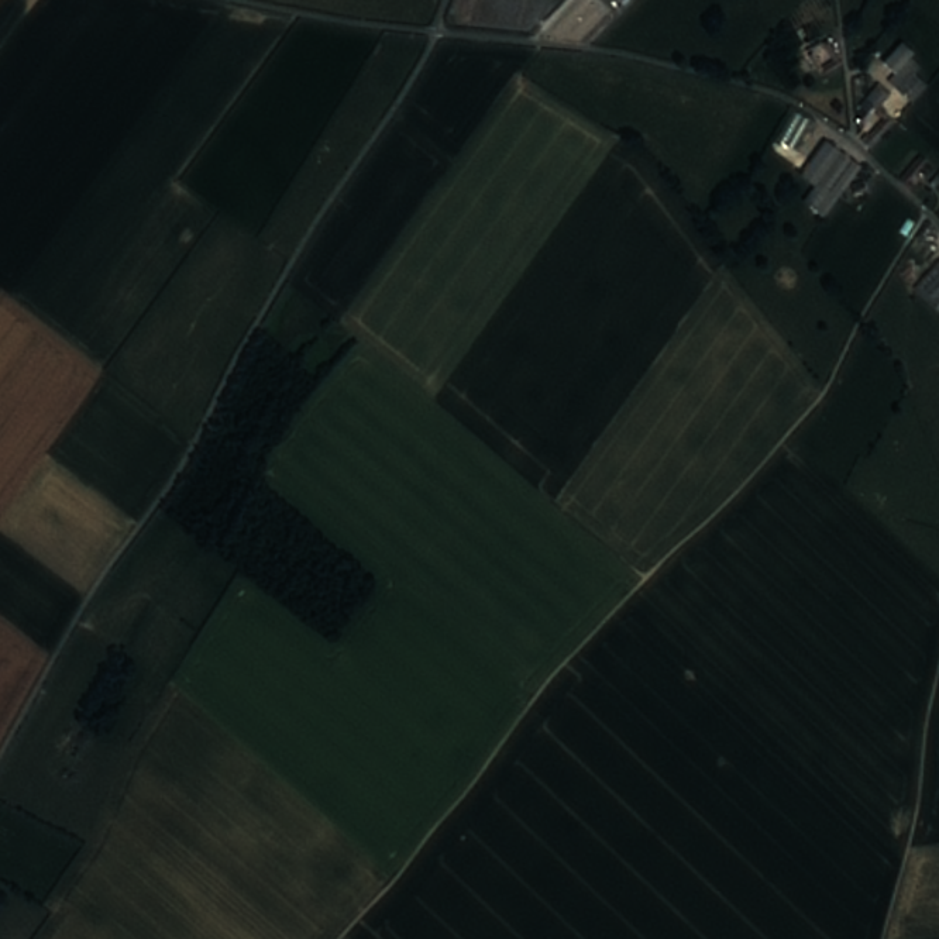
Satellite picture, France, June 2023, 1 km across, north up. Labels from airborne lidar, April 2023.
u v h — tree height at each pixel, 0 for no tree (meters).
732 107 0
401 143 0
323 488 0
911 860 0
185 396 0
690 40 0
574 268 0
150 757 0
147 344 0
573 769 0
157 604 0
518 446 0
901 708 0
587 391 0
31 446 0
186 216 0
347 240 0
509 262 0
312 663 0
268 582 15
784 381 0
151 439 0
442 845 0
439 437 0
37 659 0
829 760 0
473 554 0
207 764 0
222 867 0
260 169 0
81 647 0
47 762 0
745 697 0
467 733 0
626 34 0
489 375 0
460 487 0
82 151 0
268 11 0
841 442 0
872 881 0
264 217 0
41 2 0
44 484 0
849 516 0
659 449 0
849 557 0
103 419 0
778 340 0
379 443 0
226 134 0
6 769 0
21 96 0
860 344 0
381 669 0
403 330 0
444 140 0
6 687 0
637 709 0
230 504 7
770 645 0
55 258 0
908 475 0
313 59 0
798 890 0
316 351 0
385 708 0
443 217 0
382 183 0
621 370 0
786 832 0
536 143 0
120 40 0
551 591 0
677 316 0
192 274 0
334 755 0
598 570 0
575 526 0
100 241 0
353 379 0
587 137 0
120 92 0
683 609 0
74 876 0
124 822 0
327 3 0
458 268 0
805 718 0
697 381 0
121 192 0
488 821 0
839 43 0
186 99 0
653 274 0
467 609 0
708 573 0
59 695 0
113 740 0
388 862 0
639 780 0
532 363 0
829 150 0
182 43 0
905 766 0
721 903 0
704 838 0
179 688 0
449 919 0
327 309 0
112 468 0
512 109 0
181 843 0
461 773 0
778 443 0
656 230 0
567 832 0
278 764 0
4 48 0
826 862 0
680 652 0
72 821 0
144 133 0
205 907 0
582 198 0
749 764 0
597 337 0
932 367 0
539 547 0
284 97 0
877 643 0
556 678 0
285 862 0
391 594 0
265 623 0
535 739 0
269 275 0
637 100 0
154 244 0
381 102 0
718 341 0
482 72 0
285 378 16
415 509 0
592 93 0
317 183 0
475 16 0
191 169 0
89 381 0
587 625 0
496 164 0
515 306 0
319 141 0
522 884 0
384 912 0
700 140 0
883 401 0
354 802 0
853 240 0
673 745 0
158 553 0
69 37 0
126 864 0
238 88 0
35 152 0
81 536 0
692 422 0
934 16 0
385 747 0
